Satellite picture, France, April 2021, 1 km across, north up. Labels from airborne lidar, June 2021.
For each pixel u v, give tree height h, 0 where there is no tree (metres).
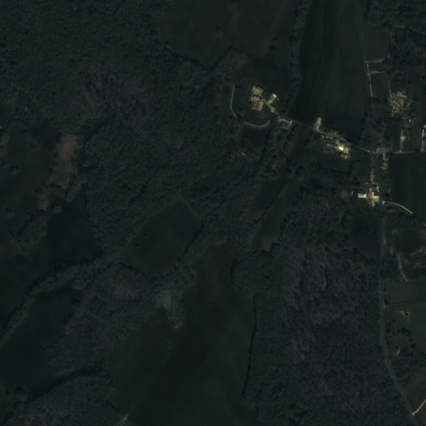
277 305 19
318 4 0
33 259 0
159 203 23
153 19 20
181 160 22
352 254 13
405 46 26
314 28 0
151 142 19
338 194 18
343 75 0
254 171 11
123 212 22
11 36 24
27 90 22
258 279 22
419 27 19
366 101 0
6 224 0
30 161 0
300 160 0
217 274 0
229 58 11
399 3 27
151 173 24
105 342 20
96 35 20
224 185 0
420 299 0
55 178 15
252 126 0
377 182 0
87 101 15
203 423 0
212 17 0
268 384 22
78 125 23
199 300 0
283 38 0
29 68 21
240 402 0
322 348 18
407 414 27
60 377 0
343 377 11
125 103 23
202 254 17
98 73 14
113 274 22
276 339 25
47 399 17
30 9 23
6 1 25
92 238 0
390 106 17
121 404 0
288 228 16
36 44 24
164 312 0
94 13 29
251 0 0
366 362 22
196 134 21
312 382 18
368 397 21
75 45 21
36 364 0
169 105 20
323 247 8
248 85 0
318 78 0
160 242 0
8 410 0
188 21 0
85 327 9
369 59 0
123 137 23
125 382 0
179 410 0
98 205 22
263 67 0
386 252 10
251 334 0
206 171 20
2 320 0
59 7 20
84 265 18
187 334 0
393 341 0
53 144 0
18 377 0
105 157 26
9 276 0
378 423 23
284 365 22
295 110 0
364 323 16
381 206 0
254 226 12
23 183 0
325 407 16
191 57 0
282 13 0
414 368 17
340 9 0
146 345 0
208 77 15
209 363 0
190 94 7
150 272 0
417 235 0
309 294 23
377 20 19
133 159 28
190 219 0
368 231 10
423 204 0
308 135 0
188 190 26
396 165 0
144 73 19
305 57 0
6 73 13
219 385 0
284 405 21
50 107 23
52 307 0
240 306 0
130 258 0
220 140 25
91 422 21
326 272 14
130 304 22
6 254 0
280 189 9
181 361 0
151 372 0
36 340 0
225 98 0
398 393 13
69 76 19
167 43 7
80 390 22
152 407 0
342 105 0
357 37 0
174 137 17
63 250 0
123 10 20
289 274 15
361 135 10
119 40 21
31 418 18
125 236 21
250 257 18
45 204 0
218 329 0
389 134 10
